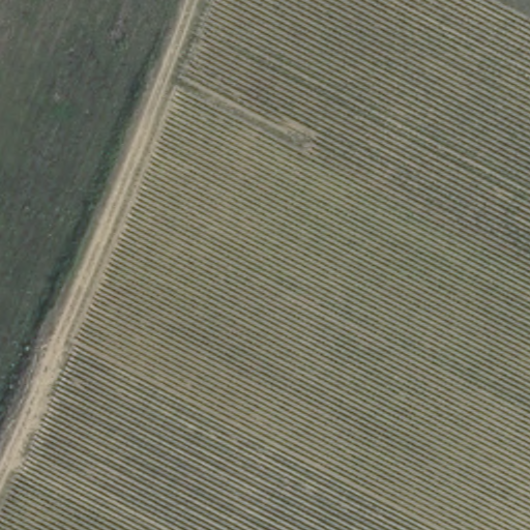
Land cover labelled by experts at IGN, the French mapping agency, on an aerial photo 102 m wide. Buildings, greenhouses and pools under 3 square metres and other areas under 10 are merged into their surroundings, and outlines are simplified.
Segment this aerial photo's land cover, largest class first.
<instances>
[{"label":"vineyard","instance_id":"1","mask_svg":"<svg viewBox=\"0 0 530 530\"><path fill-rule=\"evenodd\" d=\"M172 85L180 87L178 110H174L166 122L157 155L153 157L151 168L143 180L139 201L133 207V215L114 253L106 282L101 290L95 294V302L87 315V321L83 323L77 335L79 352L77 356L66 352L62 354L60 373L48 391V406L46 412L39 416V426L29 433L21 453V466L10 472L0 495V530H530V0H199L186 41L182 46V52L176 60L170 79Z\"/></svg>","mask_w":530,"mask_h":530},{"label":"agricultural land","instance_id":"2","mask_svg":"<svg viewBox=\"0 0 530 530\"><path fill-rule=\"evenodd\" d=\"M182 0H0V391L4 387V381L10 385L21 383L29 375V369H35L39 364L46 352V344L54 333L56 321L62 313L75 275L97 228V219L104 211L106 199L112 190L116 172L130 143L128 130L137 124L141 116L143 93L151 87L157 75ZM21 410L6 395L0 393V458L10 441Z\"/></svg>","mask_w":530,"mask_h":530},{"label":"pervious surface","instance_id":"3","mask_svg":"<svg viewBox=\"0 0 530 530\"><path fill-rule=\"evenodd\" d=\"M199 0H182L157 75L151 87L143 93L141 116L137 124L128 130L130 143L116 172L112 190L106 199L104 211L97 219V228L75 275L62 313L56 321L54 333L46 344V352L39 364L35 369H29V375L21 383L10 385L4 381V387L0 391V393L6 395L21 410L10 441L0 458V495L10 472L21 466V453L29 433L39 426V416L46 412L48 406V391L60 373L62 354L66 352L77 356L79 352L77 335L83 323L87 321V315L95 302V294L101 290L106 282L114 253L133 215V207L139 201L143 180L151 168L153 157L157 155L166 122L174 110H178L180 87L172 85L170 79L176 60L182 52V46L186 41Z\"/></svg>","mask_w":530,"mask_h":530}]
</instances>
